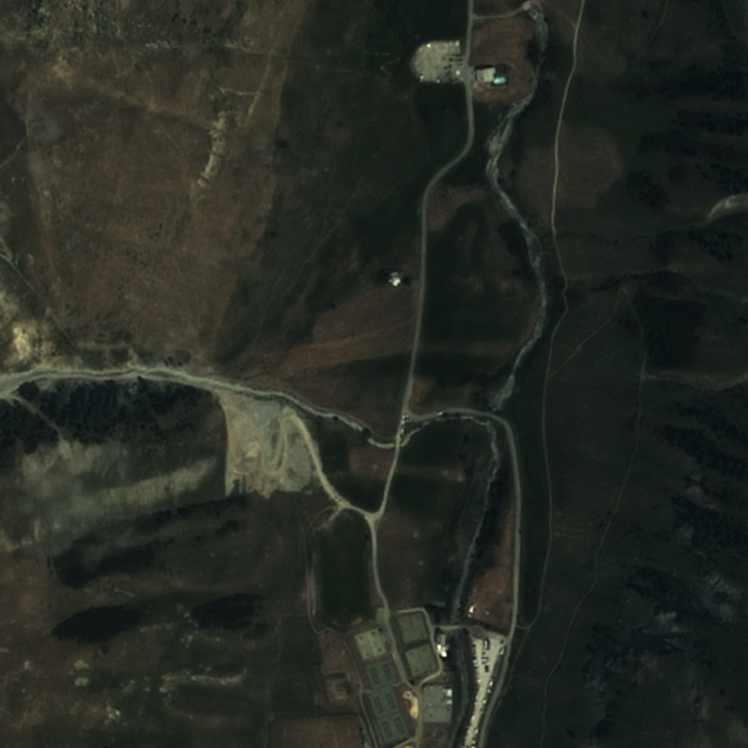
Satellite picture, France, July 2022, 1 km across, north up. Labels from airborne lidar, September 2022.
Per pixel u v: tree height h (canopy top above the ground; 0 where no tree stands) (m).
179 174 0
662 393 0
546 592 0
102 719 0
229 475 0
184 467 0
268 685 0
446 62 0
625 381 0
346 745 0
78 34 0
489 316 0
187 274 0
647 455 0
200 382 0
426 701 0
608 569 0
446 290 0
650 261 0
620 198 0
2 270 0
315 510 0
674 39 0
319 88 0
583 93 0
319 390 0
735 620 0
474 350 0
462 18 0
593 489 0
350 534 0
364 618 0
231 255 0
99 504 0
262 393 0
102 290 0
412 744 0
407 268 0
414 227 0
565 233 0
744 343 0
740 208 0
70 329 0
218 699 0
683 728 0
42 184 0
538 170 0
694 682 0
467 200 0
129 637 0
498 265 0
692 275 0
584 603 0
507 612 0
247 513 0
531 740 0
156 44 0
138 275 0
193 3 0
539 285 0
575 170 0
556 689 0
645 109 0
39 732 0
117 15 0
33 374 0
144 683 0
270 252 0
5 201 0
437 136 0
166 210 0
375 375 0
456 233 0
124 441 10
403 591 0
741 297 0
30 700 0
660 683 0
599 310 0
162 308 0
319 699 0
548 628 0
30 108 0
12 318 0
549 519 0
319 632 0
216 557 0
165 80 0
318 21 0
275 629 0
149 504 0
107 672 0
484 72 0
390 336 0
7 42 0
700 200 0
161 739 0
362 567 0
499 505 8
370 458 0
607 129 0
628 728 0
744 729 0
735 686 0
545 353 0
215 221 0
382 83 0
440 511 0
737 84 13
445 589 0
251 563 0
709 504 0
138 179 0
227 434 0
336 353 0
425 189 0
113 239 0
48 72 0
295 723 0
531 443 0
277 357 0
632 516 0
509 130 0
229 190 0
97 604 0
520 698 0
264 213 0
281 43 0
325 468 0
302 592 0
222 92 0
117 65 0
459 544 0
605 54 0
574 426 0
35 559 0
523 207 0
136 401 8
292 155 0
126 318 0
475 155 0
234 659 0
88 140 0
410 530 0
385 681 0
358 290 0
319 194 0
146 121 0
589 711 0
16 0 0
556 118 0
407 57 0
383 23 0
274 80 0
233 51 0
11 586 0
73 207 0
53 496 0
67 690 0
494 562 0
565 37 0
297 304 0
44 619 0
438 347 0
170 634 0
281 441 0
